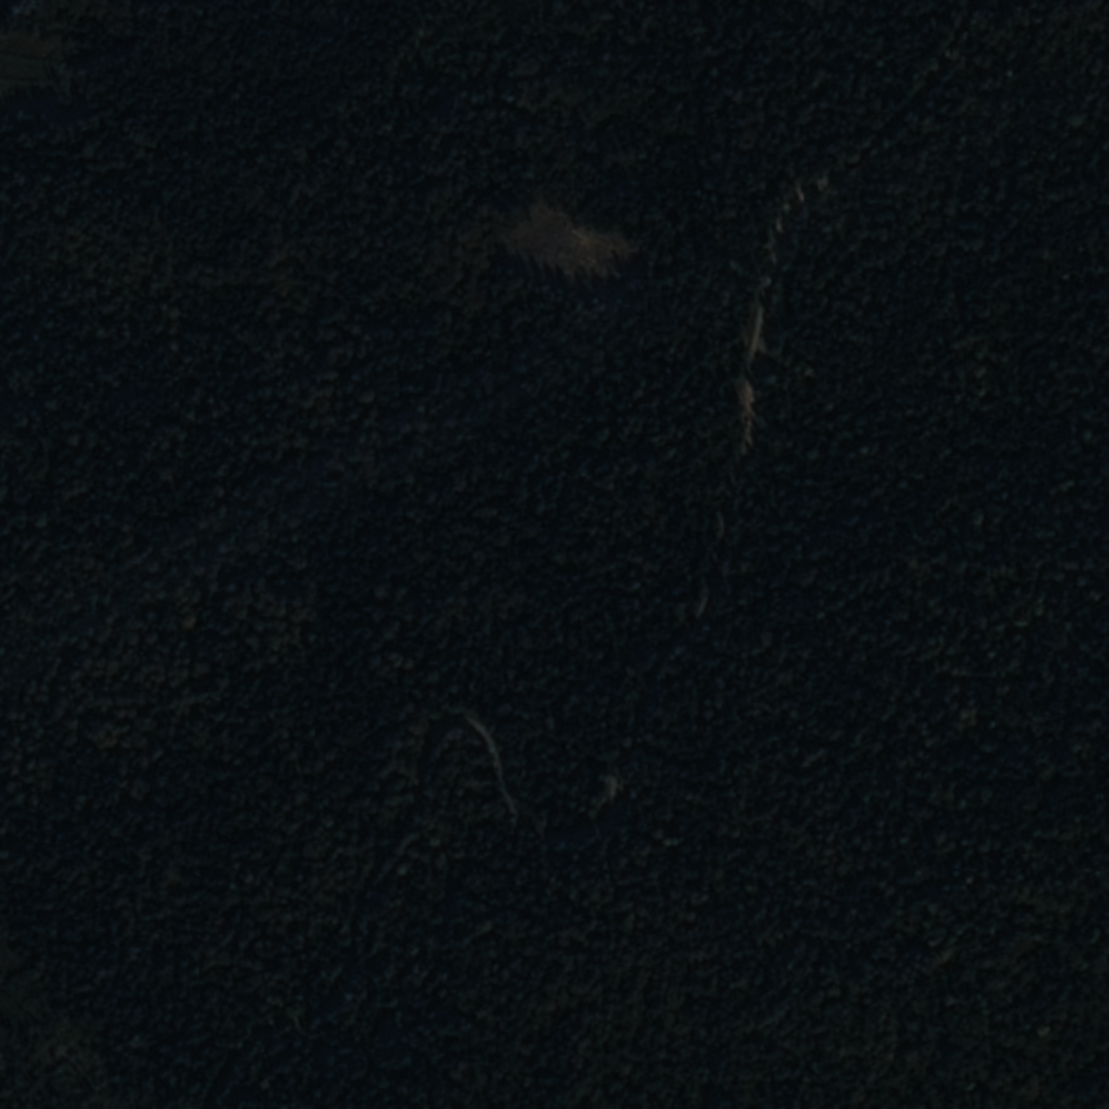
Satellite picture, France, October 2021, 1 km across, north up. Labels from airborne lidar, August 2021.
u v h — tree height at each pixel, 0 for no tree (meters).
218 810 19
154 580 11
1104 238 21
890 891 17
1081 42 18
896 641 12
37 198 20
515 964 14
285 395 25
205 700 17
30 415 20
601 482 13
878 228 19
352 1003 20
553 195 22
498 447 18
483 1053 11
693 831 26
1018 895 19
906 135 15
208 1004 18
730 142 24
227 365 13
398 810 20
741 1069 25
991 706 22
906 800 12
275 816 18
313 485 25
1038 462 19
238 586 16
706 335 14
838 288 15
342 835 17
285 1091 15
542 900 20
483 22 9
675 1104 17
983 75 14
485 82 14
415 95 15
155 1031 12
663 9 25
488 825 8
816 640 14
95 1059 10
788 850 9
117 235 17
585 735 14
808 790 14
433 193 25
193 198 18
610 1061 16
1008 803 19
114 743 14
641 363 24
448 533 18
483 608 19
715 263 12
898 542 10
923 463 13
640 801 19
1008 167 11
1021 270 16
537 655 19
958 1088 21
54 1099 15
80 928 25
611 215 26
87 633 19
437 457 28
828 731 20
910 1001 18
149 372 21
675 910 17
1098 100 18
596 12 14
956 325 13
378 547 27
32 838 19
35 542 15
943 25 21
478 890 14
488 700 11
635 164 6
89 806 17
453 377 11
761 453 12
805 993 18
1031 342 12
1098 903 13
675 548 14
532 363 32
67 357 27
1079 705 14
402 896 8
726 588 17
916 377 16
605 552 7
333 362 16
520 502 18
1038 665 21
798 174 19
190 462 12
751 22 21
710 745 7
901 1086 14
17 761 17
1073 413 12
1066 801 20
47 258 15
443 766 23
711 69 21
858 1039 15
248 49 17
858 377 12
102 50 15
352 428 6
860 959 17
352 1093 26
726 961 23
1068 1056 22
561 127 20
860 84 23
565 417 29
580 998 15
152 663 20
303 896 17
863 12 15
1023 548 18
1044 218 11
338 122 14
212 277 14
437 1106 23
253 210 14
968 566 13
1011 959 18
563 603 22
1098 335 7
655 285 14
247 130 24
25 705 17
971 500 11
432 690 16
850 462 10
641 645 7
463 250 23
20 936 11
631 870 17
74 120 16
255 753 14
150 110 15
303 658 7
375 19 14
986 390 11
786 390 12
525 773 17
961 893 20
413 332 19
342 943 19
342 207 18
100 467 14
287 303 14
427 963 23
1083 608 26
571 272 0
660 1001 15
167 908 13
